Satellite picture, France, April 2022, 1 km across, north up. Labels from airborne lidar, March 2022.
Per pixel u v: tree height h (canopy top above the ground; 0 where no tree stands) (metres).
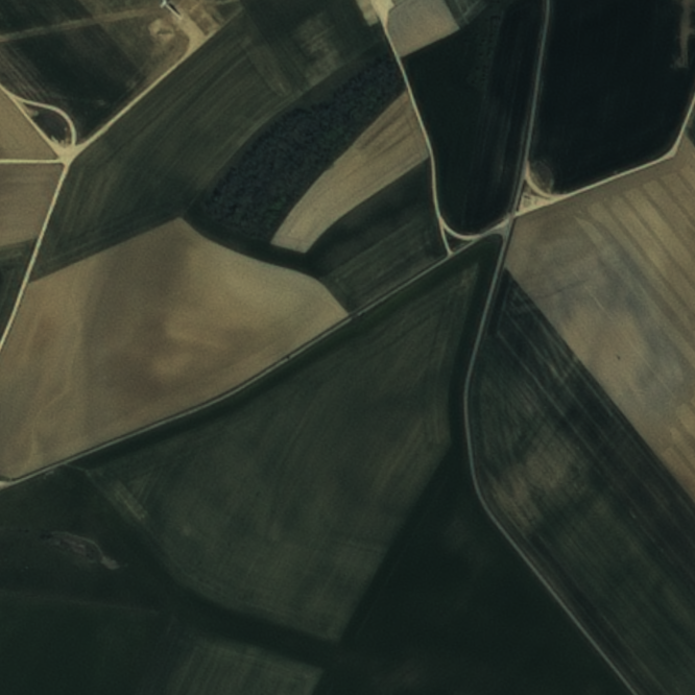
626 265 0
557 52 0
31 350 0
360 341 0
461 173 0
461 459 0
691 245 0
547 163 0
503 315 0
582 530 0
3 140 0
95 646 0
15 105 0
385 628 0
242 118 0
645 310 0
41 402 0
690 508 0
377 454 0
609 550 0
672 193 0
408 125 0
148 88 0
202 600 0
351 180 0
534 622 0
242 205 21
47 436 0
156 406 0
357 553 0
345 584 0
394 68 17
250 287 0
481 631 0
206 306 0
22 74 0
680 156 0
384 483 0
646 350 0
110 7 0
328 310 0
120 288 0
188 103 0
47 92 0
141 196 0
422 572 0
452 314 0
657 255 0
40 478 0
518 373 0
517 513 0
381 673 0
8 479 0
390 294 0
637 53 0
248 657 0
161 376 0
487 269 0
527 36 0
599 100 0
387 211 0
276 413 0
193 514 0
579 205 0
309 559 0
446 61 0
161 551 0
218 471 0
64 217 0
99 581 0
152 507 0
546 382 0
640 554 0
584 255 0
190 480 0
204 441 0
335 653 0
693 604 0
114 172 0
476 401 0
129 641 0
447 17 0
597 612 0
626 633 0
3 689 0
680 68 0
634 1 0
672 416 0
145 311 0
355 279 0
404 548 0
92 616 0
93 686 0
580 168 0
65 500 0
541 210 0
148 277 0
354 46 0
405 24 0
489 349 0
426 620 0
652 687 0
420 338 0
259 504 0
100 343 0
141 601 0
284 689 0
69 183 0
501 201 0
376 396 0
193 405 0
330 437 0
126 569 0
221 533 0
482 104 0
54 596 0
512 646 0
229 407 0
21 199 0
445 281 0
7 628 0
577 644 0
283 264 0
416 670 0
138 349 0
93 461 0
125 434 0
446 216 0
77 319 0
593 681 0
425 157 0
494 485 0
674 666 0
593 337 0
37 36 0
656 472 0
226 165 0
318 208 0
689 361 0
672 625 0
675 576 0
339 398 0
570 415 0
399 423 0
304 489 0
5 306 0
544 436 0
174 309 0
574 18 0
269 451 0
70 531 0
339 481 0
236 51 0
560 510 0
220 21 0
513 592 0
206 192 0
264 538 0
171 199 0
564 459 0
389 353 0
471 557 0
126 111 0
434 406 0
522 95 0
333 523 0
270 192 27
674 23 0
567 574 0
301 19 0
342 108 19
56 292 0
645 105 0
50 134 0
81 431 0
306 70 0
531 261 0
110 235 0
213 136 0
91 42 0
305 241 0
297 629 0
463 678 0
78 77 0
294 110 0
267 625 0
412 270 0
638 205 0
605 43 0
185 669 0
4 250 0
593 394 0
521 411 0
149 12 0
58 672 0
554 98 0
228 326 0
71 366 0
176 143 0
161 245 0
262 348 0
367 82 18
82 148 0
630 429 0
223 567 0
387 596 0
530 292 0
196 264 0
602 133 0
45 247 0
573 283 0
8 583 0
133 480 0
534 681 0
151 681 0
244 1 0
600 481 0
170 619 0
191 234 0
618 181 0
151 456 0
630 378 0
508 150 0
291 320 0
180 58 0
